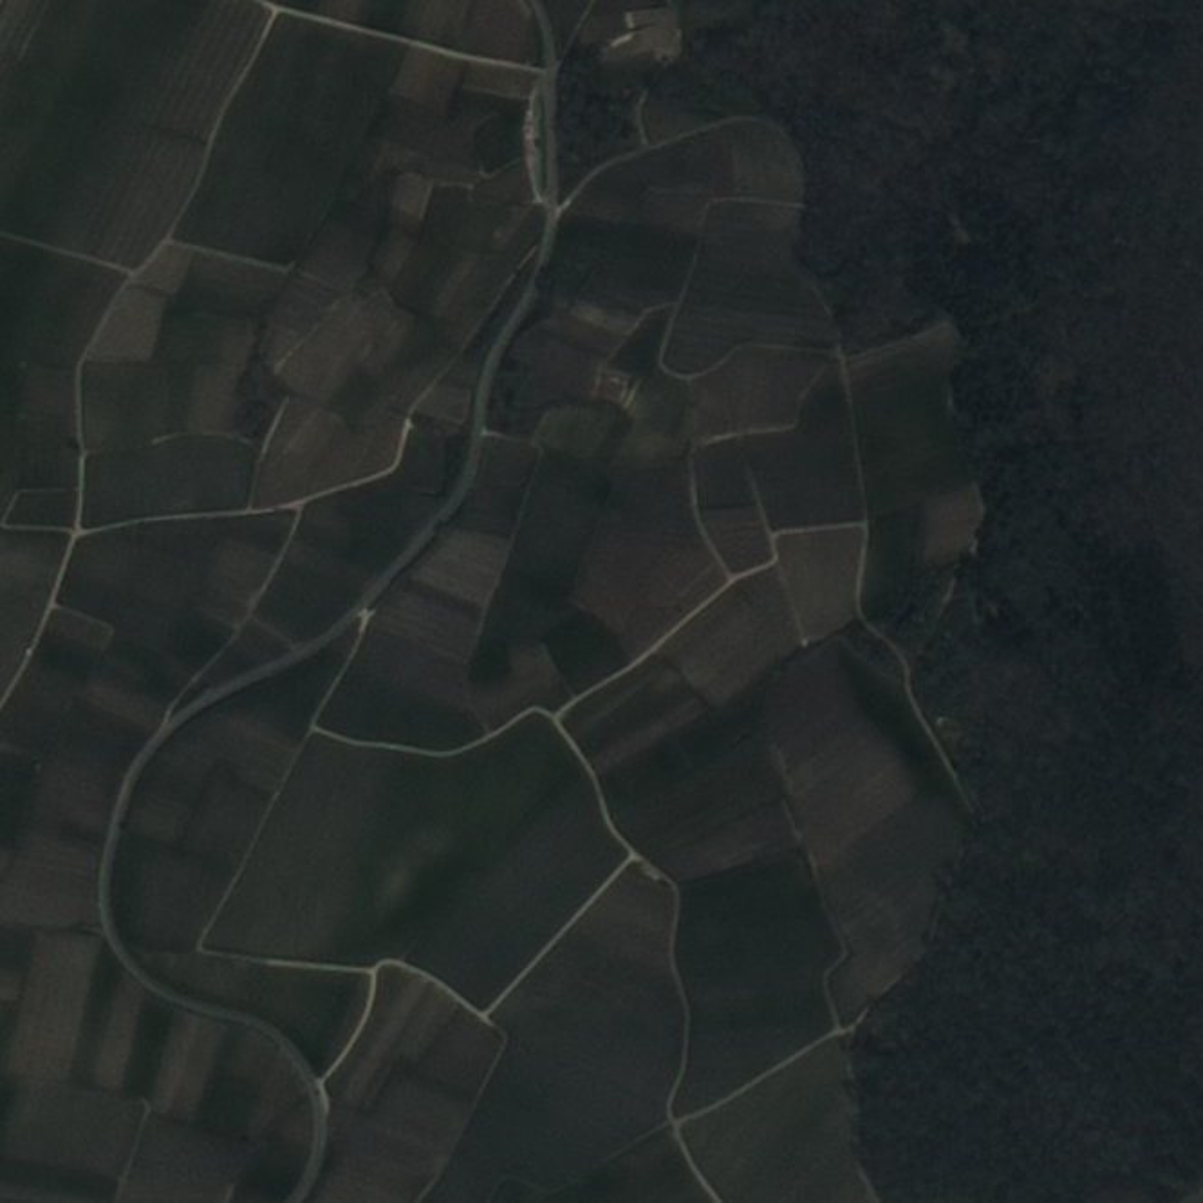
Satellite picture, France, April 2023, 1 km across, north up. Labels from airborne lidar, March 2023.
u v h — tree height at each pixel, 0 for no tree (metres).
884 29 20
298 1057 0
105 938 0
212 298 0
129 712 0
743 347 0
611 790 0
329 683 0
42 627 0
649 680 0
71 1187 0
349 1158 0
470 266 0
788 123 15
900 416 0
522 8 0
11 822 0
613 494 0
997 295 16
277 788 0
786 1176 0
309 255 0
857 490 0
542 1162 0
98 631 0
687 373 0
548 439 0
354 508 0
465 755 0
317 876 0
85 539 0
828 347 0
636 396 0
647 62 0
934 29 14
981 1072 23
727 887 0
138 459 0
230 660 0
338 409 0
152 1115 0
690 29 0
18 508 0
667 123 0
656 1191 0
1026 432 8
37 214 0
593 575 0
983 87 12
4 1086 0
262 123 0
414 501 0
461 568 0
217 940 0
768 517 0
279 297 0
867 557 0
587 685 0
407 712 0
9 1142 0
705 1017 0
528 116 0
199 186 0
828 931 0
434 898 0
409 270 0
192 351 0
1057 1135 21
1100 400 11
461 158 0
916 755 0
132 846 0
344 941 0
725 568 0
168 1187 0
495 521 0
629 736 0
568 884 0
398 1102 0
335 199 0
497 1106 0
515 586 0
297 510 0
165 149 0
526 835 0
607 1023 0
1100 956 23
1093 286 15
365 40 0
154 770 0
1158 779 25
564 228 0
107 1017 0
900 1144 20
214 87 0
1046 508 9
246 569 0
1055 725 25
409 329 0
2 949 0
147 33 0
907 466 0
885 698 0
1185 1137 23
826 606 0
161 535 0
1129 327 20
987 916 22
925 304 20
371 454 0
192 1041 0
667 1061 0
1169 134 21
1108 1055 22
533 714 0
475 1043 0
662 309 0
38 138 0
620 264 0
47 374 0
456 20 0
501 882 0
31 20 0
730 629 0
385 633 0
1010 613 11
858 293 21
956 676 6
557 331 0
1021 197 12
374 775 0
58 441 0
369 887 0
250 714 0
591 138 16
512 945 0
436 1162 0
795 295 0
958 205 21
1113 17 20
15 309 0
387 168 0
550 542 0
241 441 0
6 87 0
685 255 0
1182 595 25
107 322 0
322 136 0
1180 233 25
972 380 13
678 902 0
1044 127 16
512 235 0
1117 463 15
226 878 0
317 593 0
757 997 0
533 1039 0
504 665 0
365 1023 0
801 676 0
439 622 0
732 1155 0
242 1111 0
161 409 0
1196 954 17
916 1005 16
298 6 0
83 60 0
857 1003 0
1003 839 18
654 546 0
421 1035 0
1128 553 20
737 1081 0
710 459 0
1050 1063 24
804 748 0
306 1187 0
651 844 0
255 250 0
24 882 0
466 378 0
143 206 0
